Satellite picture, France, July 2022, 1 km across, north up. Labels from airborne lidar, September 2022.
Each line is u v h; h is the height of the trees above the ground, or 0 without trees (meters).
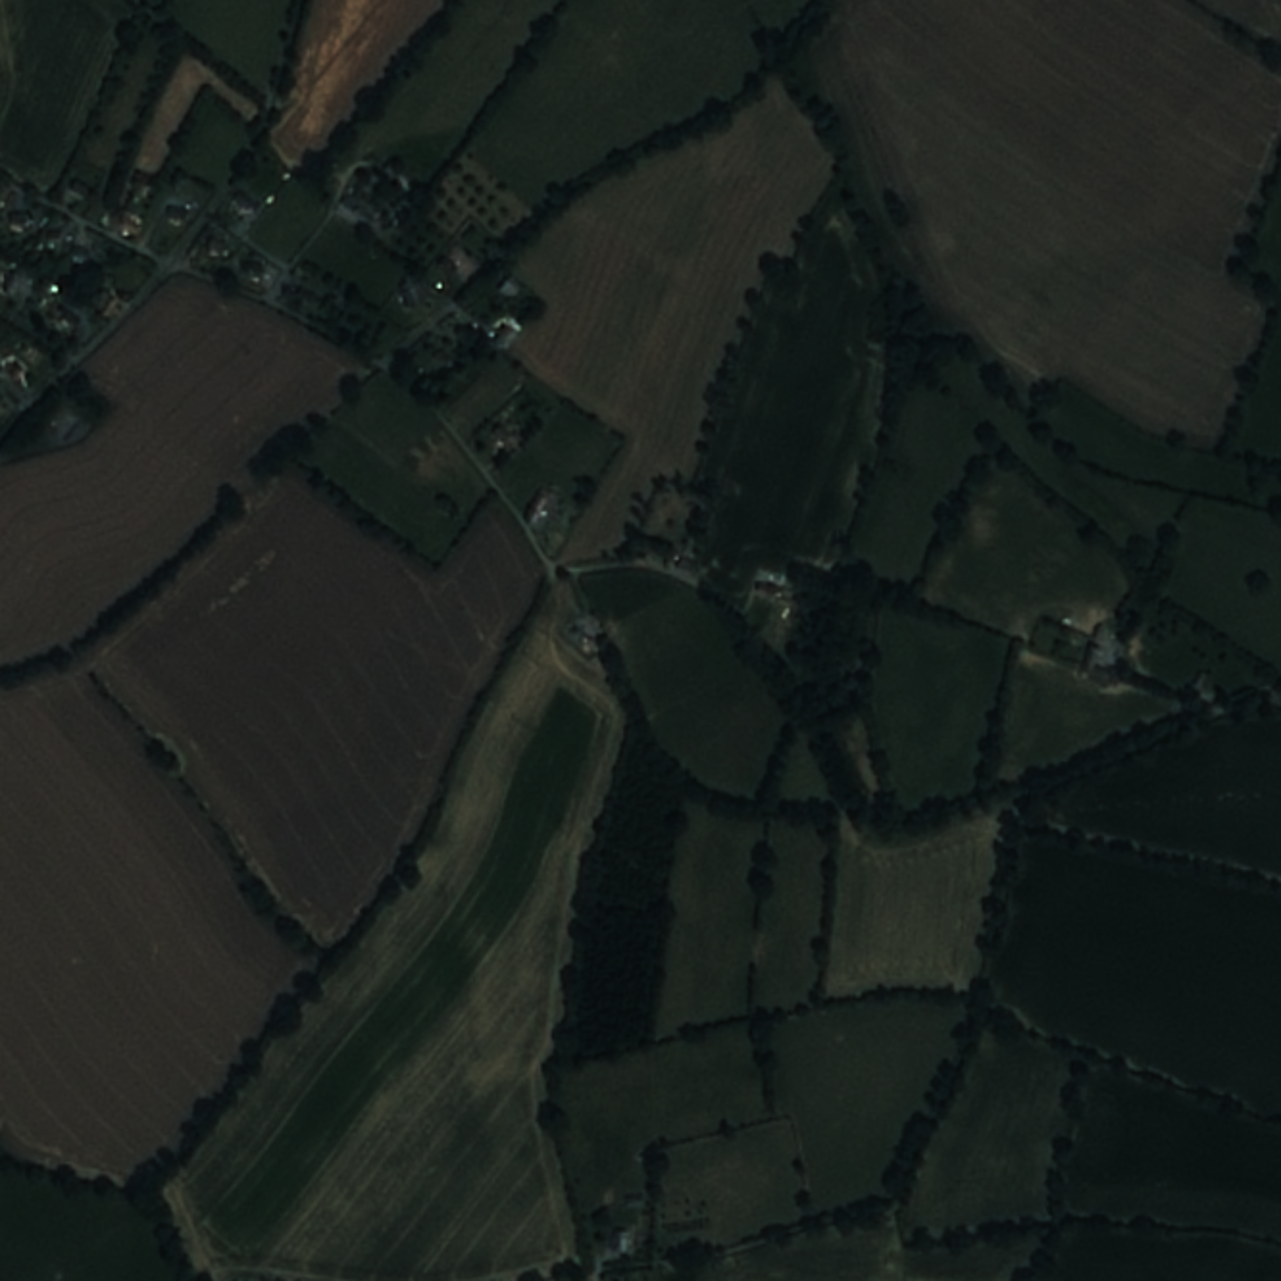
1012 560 0
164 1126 0
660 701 0
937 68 0
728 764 0
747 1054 0
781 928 0
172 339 0
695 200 0
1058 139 0
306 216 0
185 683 0
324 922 0
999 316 0
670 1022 0
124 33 14
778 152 0
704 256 0
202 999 0
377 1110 0
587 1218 6
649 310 0
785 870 0
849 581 25
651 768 12
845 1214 16
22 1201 0
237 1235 0
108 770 0
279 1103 0
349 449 0
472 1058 0
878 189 0
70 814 0
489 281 8
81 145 7
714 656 0
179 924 0
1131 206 0
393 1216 0
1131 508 0
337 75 0
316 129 0
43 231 6
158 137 0
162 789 0
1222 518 0
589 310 0
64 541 0
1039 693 0
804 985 0
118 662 0
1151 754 18
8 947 0
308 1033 0
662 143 11
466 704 0
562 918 0
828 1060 0
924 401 0
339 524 0
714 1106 0
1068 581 0
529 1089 0
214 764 0
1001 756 13
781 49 20
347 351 7
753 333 15
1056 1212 14
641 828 10
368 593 0
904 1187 15
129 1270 0
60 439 0
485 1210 0
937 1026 0
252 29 0
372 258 0
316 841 0
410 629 0
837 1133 0
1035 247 0
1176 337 0
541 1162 0
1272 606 0
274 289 0
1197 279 0
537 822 0
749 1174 0
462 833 0
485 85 0
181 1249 17
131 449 0
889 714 0
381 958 0
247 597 0
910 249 0
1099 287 0
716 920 0
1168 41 0
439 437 0
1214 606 0
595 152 0
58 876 0
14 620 0
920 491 0
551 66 0
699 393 0
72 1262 0
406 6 0
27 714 0
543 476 0
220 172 0
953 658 0
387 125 0
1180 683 0
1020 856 12
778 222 0
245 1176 0
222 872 0
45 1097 0
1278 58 19
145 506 0
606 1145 0
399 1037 0
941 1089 16
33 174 0
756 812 15
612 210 0
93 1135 0
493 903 0
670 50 0
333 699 0
